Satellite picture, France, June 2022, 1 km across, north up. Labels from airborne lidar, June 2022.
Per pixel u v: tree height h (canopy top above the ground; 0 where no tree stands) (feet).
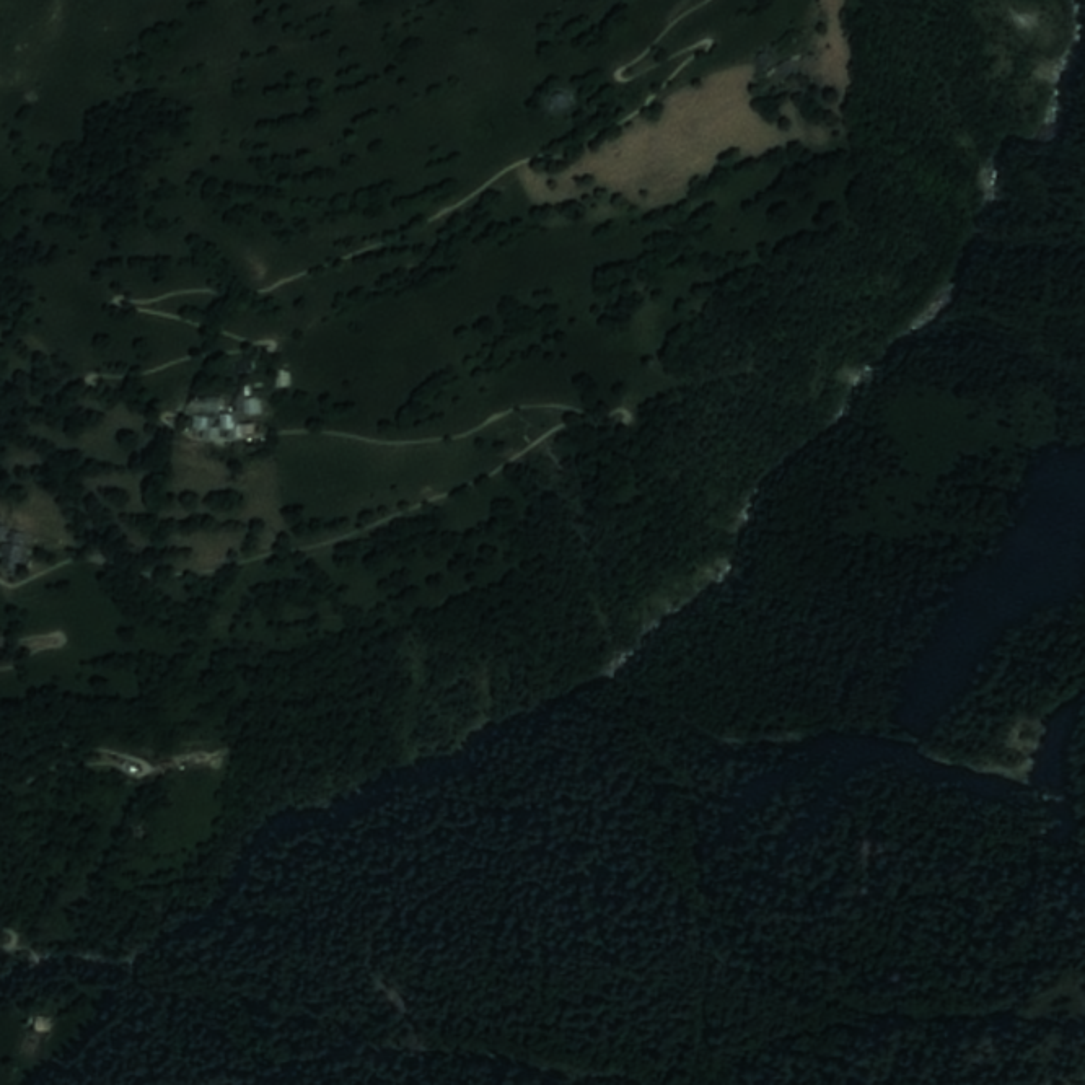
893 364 49
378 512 38
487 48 0
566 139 37
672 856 70
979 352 52
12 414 38
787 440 55
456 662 84
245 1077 98
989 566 26
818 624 57
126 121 58
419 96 23
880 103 45
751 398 52
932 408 0
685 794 53
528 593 54
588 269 0
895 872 93
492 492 0
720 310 63
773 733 35
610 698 41
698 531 75
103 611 0
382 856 108
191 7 42
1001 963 37
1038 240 24
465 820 107
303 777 69
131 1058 100
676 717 40
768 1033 53
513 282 0
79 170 56
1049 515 21
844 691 42
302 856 79
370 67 0
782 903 72
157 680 81
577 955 69
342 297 44
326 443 0
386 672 58
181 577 26
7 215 65
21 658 64
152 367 0
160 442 66
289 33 35
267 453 35
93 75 0
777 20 0
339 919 83
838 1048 69
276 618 48
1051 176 44
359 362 0
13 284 55
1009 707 47
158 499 79
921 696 56
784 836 49
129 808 26
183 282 0
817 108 55
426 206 37
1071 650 41
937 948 51
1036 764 0
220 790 20
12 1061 28
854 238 35
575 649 67
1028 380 39
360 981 107
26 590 0
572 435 50
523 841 131
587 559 35
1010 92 39
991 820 43
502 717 52
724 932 36
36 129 0
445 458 0
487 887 97
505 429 0
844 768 78
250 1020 47
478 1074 63
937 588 35
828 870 117
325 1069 73
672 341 51
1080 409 36
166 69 0
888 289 25
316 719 32
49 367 53
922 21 72
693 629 55
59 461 81
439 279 66
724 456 34
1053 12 21
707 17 0
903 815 48
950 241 45
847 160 65
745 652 52
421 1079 80
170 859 28
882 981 38
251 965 102
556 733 112
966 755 39
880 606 58
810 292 73
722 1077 58
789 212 52
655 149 0
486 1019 74
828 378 28
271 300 35
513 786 89
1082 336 18
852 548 31
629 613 53
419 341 0
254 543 49
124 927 47
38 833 35
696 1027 70
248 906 59
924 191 55
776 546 60
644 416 43
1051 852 22
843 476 34
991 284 47
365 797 38
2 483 92
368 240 31
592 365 0
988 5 26
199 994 46
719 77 0
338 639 51
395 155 0
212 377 49
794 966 45
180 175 0
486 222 53
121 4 0
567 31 51
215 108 0
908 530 0
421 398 53
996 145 27
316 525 55
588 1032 122
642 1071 62
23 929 24
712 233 63
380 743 56
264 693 64
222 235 0
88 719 80
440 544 65
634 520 80
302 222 50
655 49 29
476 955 101
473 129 0
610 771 135
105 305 28
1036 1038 46
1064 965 26
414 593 60
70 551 49
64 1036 0
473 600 47
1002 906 45
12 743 81
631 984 90
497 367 41
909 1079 64
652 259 64
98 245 0
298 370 0
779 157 64
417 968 86
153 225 57
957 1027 50
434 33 0
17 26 0
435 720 52
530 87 0
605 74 29
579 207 54
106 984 104
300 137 0
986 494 56
